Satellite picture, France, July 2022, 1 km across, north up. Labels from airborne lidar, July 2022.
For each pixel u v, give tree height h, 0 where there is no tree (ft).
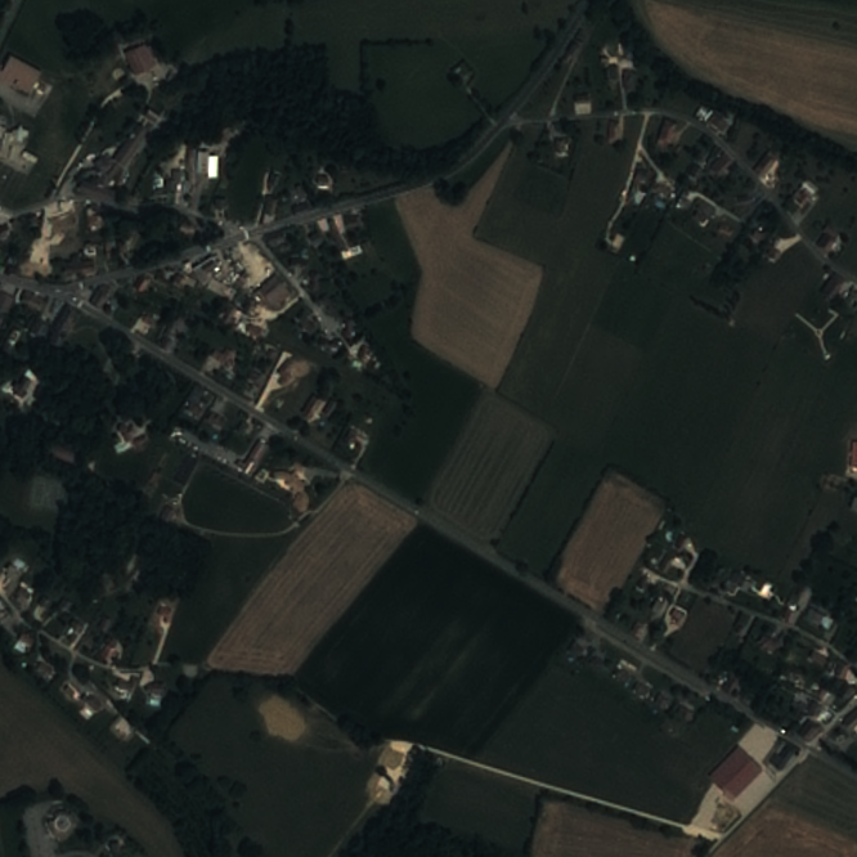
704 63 0
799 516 0
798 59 0
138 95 31
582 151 0
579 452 0
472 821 0
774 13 0
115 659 25
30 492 0
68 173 0
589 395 0
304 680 0
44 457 76
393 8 0
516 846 0
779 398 0
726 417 0
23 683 0
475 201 0
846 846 0
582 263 0
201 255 0
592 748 0
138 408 67
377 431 0
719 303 0
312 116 74
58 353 76
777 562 0
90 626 0
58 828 0
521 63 0
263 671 0
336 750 0
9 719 0
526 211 0
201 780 39
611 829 0
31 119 0
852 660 36
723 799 0
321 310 0
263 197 24
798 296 0
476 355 0
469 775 0
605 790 0
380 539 0
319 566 0
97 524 88
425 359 0
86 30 85
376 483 0
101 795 0
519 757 0
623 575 0
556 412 0
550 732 0
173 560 83
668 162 38
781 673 21
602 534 0
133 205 0
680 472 0
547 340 0
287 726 0
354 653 0
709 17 0
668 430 0
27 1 0
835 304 39
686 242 0
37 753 0
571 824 0
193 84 51
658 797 0
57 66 0
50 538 55
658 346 0
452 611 0
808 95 0
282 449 40
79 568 89
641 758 0
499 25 0
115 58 0
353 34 0
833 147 50
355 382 0
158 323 21
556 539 0
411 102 0
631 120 0
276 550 0
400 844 52
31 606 0
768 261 0
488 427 0
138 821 0
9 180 0
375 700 0
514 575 0
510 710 0
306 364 0
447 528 0
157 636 0
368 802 0
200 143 41
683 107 0
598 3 39
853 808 0
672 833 32
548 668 0
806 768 0
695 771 0
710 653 0
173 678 0
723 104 38
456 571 0
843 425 0
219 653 0
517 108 0
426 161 57
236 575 0
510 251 0
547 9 0
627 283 0
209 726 0
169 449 0
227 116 63
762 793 0
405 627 0
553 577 58
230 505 0
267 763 0
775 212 55
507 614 0
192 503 0
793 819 0
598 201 0
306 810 0
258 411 0
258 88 60
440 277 0
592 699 0
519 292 0
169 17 0
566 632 0
